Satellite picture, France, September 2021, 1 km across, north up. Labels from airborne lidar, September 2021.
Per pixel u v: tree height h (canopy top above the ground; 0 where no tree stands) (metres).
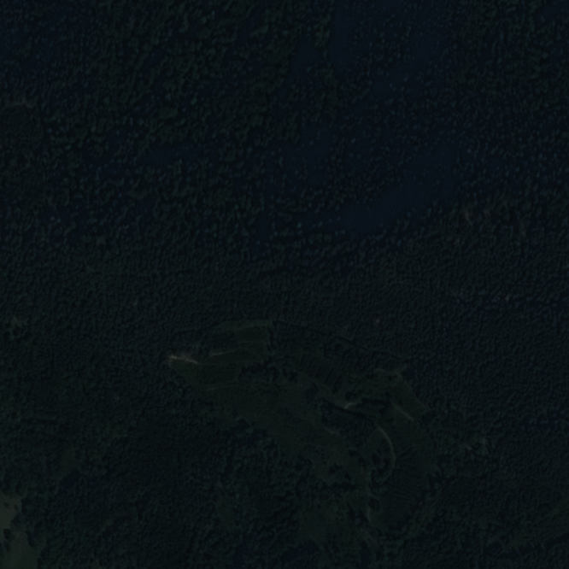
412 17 30
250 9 29
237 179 30
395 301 29
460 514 12
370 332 21
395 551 23
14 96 33
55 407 23
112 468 21
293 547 21
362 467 8
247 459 15
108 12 26
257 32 34
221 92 34
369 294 30
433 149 36
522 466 25
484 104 35
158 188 23
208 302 20
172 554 24
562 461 20
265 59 33
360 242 9
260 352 6
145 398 21
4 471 13
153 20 34
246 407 7
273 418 5
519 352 30
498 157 41
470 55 26
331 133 28
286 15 31
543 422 26
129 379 32
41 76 33
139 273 12
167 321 28
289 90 35
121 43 21
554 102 33
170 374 25
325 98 35
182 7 22
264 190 31
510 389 29
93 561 15
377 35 34
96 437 23
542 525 7
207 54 33
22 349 23
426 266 33
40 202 7
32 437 24
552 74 30
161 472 26
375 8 31
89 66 38
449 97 33
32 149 9
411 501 7
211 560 27
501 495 25
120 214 36
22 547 0
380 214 7
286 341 17
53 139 16
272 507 23
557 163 29
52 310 12
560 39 27
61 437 23
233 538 14
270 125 37
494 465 17
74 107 37
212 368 7
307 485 23
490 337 28
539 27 43
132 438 23
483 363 25
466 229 30
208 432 24
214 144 19
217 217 19
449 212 26
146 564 24
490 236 27
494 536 22
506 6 27
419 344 23
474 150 30
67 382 23
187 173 35
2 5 35
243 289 20
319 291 26
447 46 37
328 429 24
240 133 29
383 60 28
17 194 6
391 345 25
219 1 19
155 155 15
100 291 16
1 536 0
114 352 25
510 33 30
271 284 25
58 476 22
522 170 31
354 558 7
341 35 24
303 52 30
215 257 32
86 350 21
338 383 6
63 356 21
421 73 32
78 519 27
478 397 29
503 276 27
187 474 27
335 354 19
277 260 26
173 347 25
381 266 29
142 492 13
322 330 20
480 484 21
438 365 21
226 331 31
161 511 20
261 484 20
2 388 21
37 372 22
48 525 18
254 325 28
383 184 38
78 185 24
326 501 28
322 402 9
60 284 24
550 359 28
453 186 31
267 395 7
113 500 25
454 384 26
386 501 7
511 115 36
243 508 29
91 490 24
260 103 31
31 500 22
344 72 35
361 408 9
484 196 20
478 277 25
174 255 30
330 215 13
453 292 28
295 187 26
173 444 31
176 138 33
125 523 25
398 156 36
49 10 35
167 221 23
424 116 27
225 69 37
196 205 14
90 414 24
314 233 30
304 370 8
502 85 31
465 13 26
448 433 22
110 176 27
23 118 8
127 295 22
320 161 17
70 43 29
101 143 23
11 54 35
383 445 5
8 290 29
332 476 14
